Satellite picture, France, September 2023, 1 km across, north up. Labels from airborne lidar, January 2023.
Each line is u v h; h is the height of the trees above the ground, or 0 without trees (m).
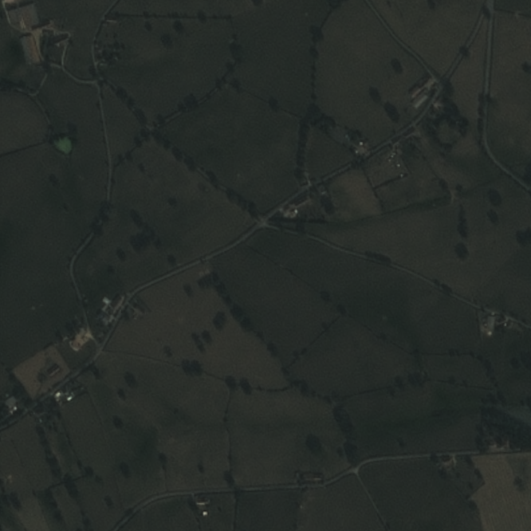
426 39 0
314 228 0
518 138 0
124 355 0
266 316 0
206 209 0
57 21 0
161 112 0
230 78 0
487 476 0
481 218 0
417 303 0
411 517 0
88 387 0
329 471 0
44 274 0
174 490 0
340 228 0
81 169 0
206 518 0
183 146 0
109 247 0
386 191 0
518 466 0
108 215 16
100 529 0
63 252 0
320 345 0
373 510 0
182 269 0
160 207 0
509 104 0
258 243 0
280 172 0
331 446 0
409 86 0
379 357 0
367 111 0
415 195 0
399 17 0
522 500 0
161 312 0
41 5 0
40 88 16
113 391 0
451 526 0
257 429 0
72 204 0
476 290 0
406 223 0
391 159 0
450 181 0
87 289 0
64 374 0
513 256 0
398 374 0
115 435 0
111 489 0
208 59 0
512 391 0
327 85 0
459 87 0
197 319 0
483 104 7
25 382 0
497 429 13
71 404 0
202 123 0
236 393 0
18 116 0
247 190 0
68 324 0
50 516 0
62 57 0
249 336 0
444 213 0
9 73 0
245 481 0
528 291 0
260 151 0
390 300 0
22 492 0
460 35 0
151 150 0
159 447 0
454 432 0
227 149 0
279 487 0
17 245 0
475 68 0
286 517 0
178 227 0
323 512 0
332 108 0
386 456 0
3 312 0
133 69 0
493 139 0
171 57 0
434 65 0
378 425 0
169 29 0
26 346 0
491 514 0
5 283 0
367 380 0
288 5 0
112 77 0
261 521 0
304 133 14
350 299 0
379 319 0
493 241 0
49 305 0
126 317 13
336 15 0
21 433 0
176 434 0
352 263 0
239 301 0
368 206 0
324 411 0
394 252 0
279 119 0
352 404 0
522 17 0
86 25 0
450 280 0
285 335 0
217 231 0
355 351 0
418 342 0
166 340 0
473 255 0
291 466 0
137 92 0
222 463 0
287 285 0
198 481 0
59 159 0
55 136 9
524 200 0
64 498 0
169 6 0
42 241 0
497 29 0
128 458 0
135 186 0
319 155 0
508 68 0
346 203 0
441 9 0
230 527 0
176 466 0
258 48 0
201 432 0
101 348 0
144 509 0
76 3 0
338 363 0
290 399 0
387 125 0
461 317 0
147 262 0
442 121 10
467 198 0
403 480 0
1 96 0
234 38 10
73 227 0
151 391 0
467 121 9
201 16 13
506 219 0
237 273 0
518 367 12
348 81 0
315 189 16
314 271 0
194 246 0
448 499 0
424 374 0
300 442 0
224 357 0
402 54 0
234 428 0
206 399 0
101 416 0
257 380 0
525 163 0
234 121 0
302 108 0
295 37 0
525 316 0
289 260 0
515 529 0
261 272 0
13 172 0
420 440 0
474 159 0
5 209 0
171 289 0
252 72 0
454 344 0
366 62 0
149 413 0
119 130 0
